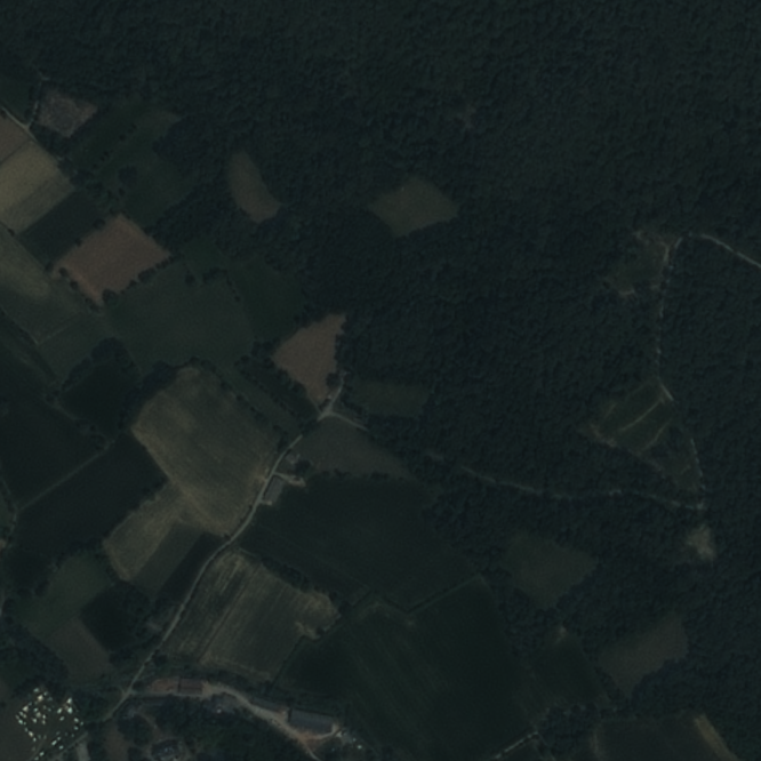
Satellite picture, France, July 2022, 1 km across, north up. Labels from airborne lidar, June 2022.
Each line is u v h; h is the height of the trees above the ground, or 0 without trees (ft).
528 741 36
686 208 107
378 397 0
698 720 0
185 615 25
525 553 0
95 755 40
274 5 93
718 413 94
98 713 95
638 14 60
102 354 70
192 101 80
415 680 0
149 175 0
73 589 0
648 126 67
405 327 85
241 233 110
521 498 94
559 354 77
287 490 0
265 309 0
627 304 85
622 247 80
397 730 0
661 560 100
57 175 0
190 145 87
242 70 79
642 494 67
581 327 77
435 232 75
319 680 0
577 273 88
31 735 0
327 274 82
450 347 113
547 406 67
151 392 68
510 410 76
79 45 85
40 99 51
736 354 83
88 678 0
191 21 81
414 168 80
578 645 0
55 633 0
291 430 0
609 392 96
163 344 0
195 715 101
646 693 73
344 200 93
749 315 86
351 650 0
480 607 0
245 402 38
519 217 72
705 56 72
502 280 85
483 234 67
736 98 53
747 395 64
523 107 69
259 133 90
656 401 0
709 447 82
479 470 83
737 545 97
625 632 70
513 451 77
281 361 0
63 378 0
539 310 79
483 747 0
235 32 91
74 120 0
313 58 37
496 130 72
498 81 79
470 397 84
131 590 51
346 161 80
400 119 81
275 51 90
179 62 80
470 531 90
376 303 78
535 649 81
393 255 83
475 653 0
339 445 0
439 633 0
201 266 0
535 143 59
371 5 82
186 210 55
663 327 63
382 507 0
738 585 89
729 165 85
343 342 78
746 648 105
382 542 0
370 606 0
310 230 90
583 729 52
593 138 81
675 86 75
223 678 42
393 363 83
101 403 0
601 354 92
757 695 74
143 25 88
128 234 0
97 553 43
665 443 0
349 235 85
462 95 18
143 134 0
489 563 70
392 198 0
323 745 0
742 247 77
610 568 60
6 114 41
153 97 97
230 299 0
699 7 37
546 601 0
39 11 86
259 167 62
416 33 84
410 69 32
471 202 64
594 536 85
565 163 64
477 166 50
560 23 89
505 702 0
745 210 87
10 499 30
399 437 83
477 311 70
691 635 61
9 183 0
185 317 0
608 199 73
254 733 46
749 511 81
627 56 79
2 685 0
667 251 0
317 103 76
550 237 74
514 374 83
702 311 68
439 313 72
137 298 0
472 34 47
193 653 0
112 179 0
